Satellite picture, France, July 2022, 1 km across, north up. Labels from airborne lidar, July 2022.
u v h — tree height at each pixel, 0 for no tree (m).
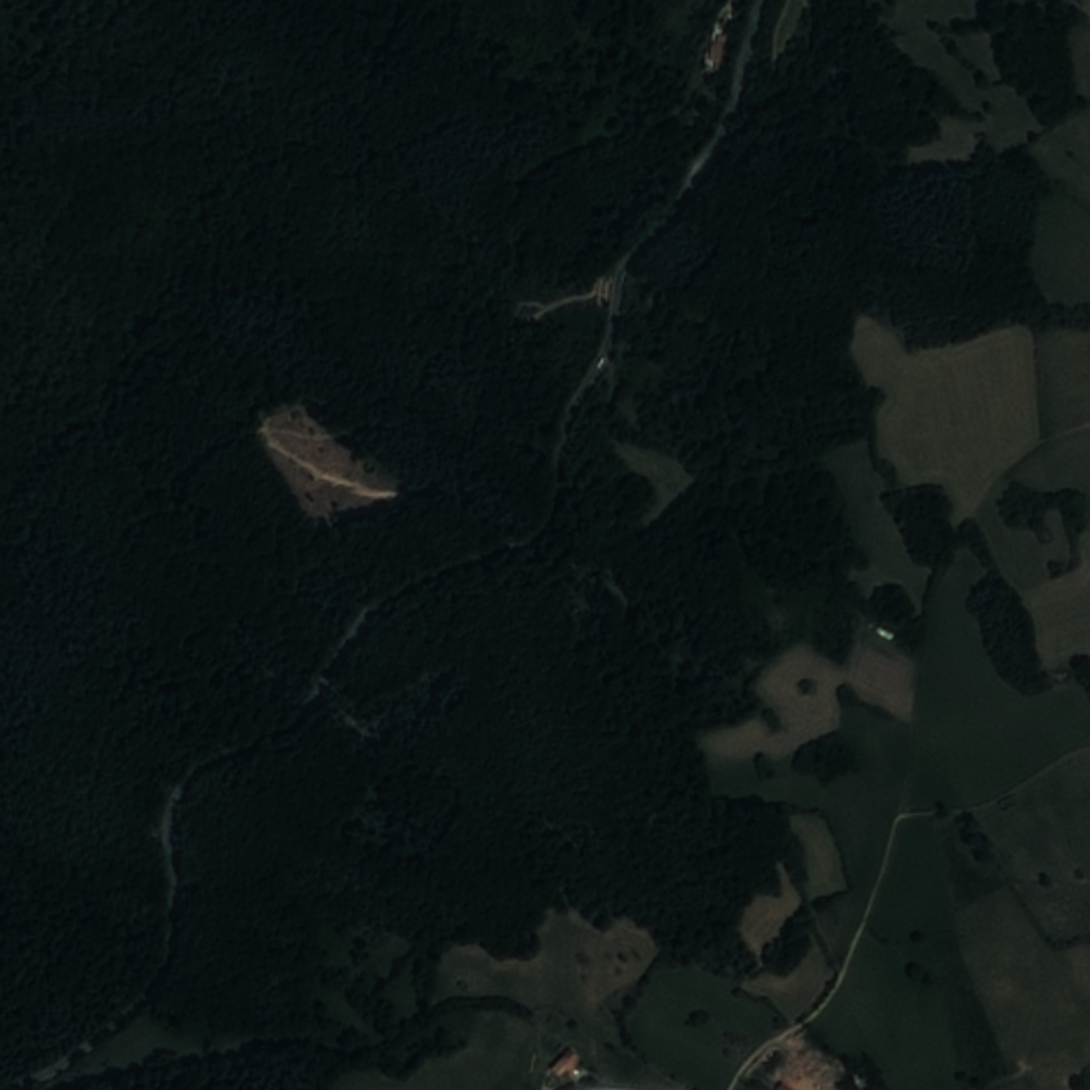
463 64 25
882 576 0
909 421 0
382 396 26
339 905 20
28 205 25
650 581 21
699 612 20
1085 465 0
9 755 21
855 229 20
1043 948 0
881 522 0
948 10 0
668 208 21
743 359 16
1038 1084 0
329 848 22
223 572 33
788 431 10
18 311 15
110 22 31
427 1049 9
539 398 27
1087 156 0
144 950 24
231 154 23
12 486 20
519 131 25
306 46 29
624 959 8
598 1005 0
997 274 16
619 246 18
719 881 17
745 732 0
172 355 21
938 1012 0
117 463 35
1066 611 0
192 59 26
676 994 0
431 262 14
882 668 0
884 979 0
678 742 17
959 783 0
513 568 21
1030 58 21
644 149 8
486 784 21
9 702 21
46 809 12
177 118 21
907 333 6
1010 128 0
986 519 0
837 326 11
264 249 23
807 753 7
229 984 24
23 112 36
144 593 27
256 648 20
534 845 18
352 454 31
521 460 23
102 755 16
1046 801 0
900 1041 0
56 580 24
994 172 19
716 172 16
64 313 23
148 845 21
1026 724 0
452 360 16
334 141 15
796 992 0
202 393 21
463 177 31
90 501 22
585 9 19
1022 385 0
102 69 24
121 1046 0
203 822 15
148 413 12
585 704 29
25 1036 16
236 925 29
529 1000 0
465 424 16
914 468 0
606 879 12
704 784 17
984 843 21
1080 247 0
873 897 0
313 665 18
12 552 23
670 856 15
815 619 0
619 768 25
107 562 27
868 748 0
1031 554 0
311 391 29
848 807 0
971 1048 0
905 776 0
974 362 0
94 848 16
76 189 28
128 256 15
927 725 0
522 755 18
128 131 27
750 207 23
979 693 0
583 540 25
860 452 0
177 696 24
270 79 17
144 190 24
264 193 23
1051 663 0
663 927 5
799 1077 0
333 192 23
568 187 9
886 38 17
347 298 16
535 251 11
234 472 21
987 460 0
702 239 21
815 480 18
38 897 27
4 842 15
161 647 27
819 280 16
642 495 16
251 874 20
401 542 22
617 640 24
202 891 22
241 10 28
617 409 14
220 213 27
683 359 8
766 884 12
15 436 30
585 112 8
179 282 24
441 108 32
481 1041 0
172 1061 14
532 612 28
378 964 0
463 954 0
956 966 0
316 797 26
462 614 23
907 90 17
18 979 26
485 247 13
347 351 21
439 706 19
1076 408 0
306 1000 10
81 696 20
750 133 18
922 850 0
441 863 26
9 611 29
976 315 9
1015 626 12
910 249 25
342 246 14
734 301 19
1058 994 0
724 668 10
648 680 21
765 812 26
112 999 10
